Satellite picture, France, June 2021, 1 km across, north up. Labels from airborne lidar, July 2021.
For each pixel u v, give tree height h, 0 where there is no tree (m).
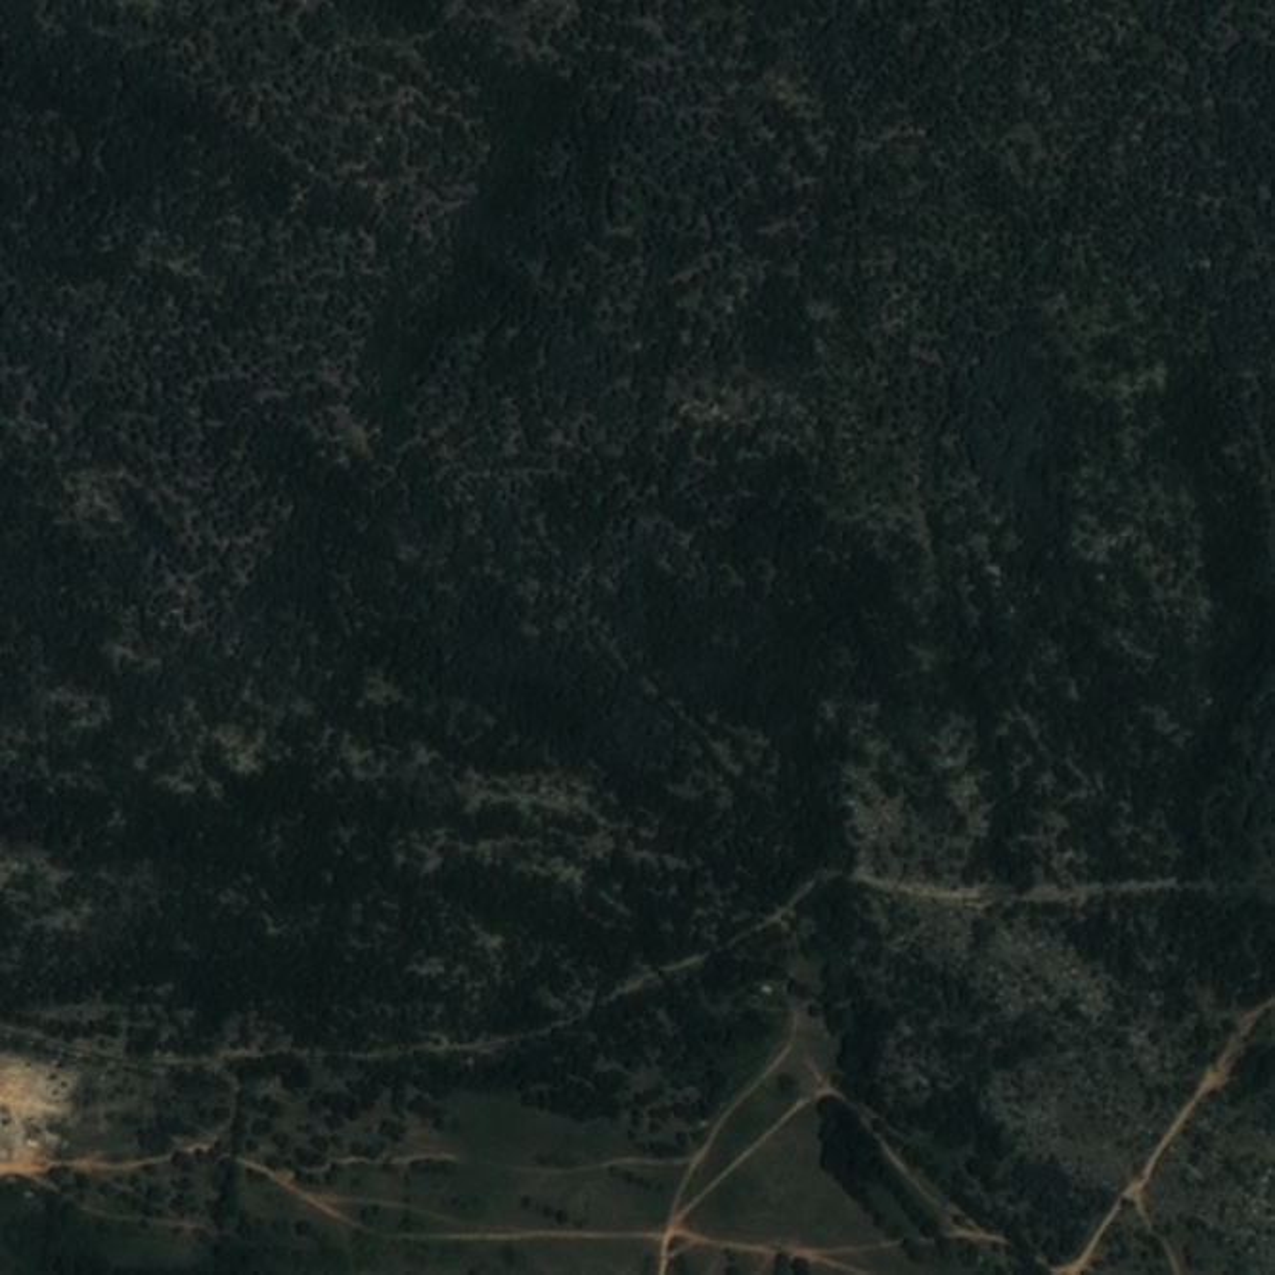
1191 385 8
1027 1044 8
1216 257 9
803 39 7
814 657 9
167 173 9
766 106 9
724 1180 0
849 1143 11
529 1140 0
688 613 10
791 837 7
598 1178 0
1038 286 9
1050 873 8
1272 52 11
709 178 15
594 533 11
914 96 12
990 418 12
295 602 7
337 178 11
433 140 9
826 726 7
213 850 13
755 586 8
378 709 8
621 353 10
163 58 7
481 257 11
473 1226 0
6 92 8
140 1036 9
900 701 9
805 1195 0
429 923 7
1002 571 6
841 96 9
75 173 9
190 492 8
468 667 12
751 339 10
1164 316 8
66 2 10
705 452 11
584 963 7
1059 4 7
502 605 13
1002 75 9
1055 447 10
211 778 7
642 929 11
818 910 9
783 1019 0
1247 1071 10
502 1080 9
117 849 6
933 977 6
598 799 6
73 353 10
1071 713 6
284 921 6
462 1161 0
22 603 9
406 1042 7
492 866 6
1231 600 12
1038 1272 6
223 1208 12
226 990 8
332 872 10
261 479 9
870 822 0
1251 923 6
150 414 12
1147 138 9
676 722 7
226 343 14
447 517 8
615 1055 8
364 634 9
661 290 10
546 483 12
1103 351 7
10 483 8
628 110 12
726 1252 6
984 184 8
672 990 10
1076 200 9
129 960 10
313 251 11
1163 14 6
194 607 12
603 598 11
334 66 9
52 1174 9
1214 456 9
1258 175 10
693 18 10
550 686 11
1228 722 11
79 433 9
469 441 8
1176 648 7
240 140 10
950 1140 7
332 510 8
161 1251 0
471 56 9
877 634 6
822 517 12
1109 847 8
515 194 13
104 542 6
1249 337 8
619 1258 0
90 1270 8
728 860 10
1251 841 10
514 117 10
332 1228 0
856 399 8
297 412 11
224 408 13
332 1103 12
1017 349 12
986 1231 7
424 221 10
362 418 11
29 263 10
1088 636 9
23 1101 0
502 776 6
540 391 12
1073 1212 8
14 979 7
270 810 9
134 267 7
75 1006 10
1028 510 10
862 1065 8
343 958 6
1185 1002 8
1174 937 7
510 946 7
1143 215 7
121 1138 0
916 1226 8
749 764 7
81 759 7
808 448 6
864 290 8
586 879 6
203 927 7
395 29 8
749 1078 0
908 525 7
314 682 10
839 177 9
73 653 7
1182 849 9
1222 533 7
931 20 10
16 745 8
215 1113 6
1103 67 10
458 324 12
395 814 9
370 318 7
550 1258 0
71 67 9
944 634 7
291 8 9
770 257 11
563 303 8
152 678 6
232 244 11
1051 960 0
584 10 11
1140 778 7
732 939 8
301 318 12
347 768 7
